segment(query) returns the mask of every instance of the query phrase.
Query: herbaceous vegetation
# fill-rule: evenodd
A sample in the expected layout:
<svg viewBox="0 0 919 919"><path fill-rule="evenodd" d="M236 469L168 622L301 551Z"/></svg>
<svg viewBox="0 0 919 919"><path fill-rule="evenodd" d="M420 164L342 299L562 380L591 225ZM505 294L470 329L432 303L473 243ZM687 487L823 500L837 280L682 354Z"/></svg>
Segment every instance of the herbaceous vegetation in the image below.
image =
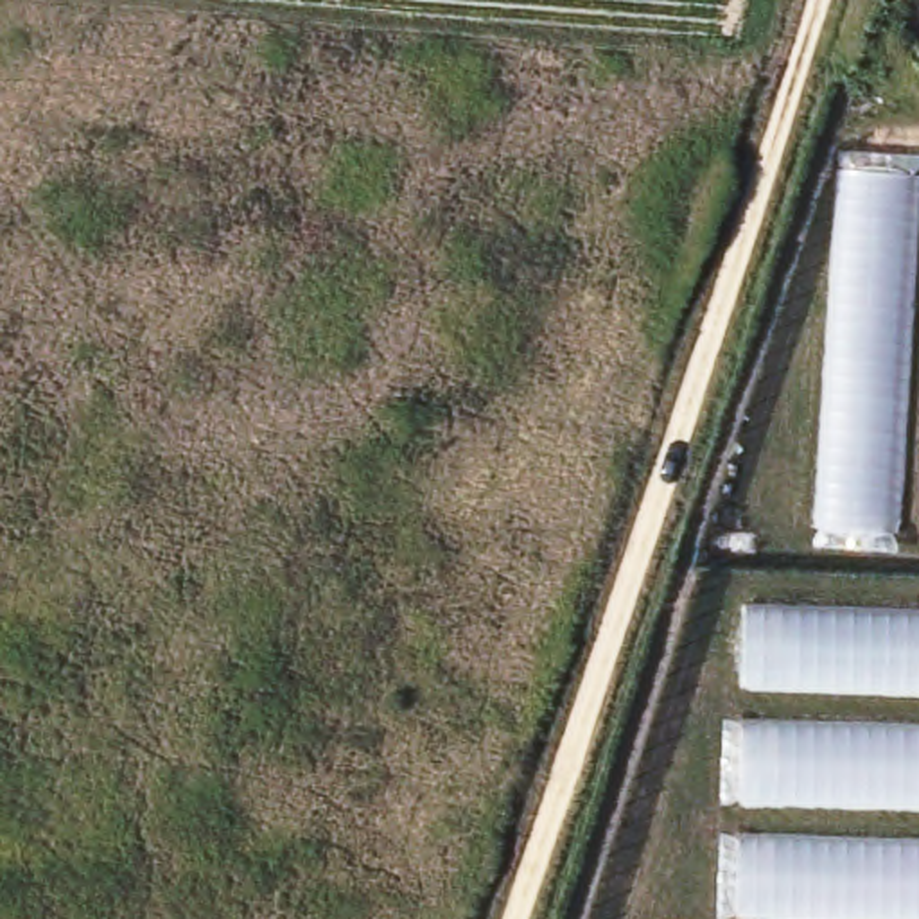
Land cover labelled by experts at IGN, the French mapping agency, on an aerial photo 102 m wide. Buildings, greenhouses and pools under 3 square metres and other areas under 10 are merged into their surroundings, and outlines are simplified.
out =
<svg viewBox="0 0 919 919"><path fill-rule="evenodd" d="M628 797L628 811L592 919L725 919L714 908L722 836L919 840L919 811L740 808L722 804L718 779L725 722L919 725L919 696L829 696L743 689L736 671L736 632L740 607L919 610L919 237L897 553L880 556L815 549L811 513L826 359L829 241L840 162L844 154L919 158L919 147L872 144L872 129L919 126L919 0L833 0L801 97L801 111L793 118L793 133L779 165L779 179L707 384L696 431L693 438L678 442L686 449L686 470L671 481L675 499L664 517L600 711L582 786L560 829L531 919L578 919L625 779L628 750L653 686L653 671L664 653L664 635L686 571L700 571L700 582L686 614L675 664L643 750L643 765ZM740 456L729 477L729 492L718 499L711 517L704 513L704 499L729 442L740 442Z"/></svg>
<svg viewBox="0 0 919 919"><path fill-rule="evenodd" d="M614 574L621 567L643 492L650 485L657 445L671 424L689 355L700 337L714 276L757 187L761 136L779 83L786 75L790 47L808 0L775 0L775 18L768 29L772 43L757 43L754 50L725 57L718 65L693 65L689 57L678 57L664 47L664 36L650 32L388 18L366 11L226 0L0 0L0 919L503 919L589 650L600 632L600 617L614 589Z"/></svg>

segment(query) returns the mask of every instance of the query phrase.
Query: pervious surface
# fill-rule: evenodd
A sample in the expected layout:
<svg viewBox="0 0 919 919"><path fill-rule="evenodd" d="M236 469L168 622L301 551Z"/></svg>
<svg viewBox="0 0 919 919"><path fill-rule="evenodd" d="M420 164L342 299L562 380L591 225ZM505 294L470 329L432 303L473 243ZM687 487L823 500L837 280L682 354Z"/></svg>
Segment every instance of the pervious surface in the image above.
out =
<svg viewBox="0 0 919 919"><path fill-rule="evenodd" d="M700 571L686 571L664 635L664 653L653 671L653 686L628 750L625 779L578 919L592 919L628 811L628 797L643 765L643 750L675 664L686 614L700 582Z"/></svg>
<svg viewBox="0 0 919 919"><path fill-rule="evenodd" d="M657 445L650 485L643 492L621 567L614 574L614 589L600 617L600 632L589 650L503 919L531 919L560 829L582 786L600 711L664 517L675 499L671 481L686 470L686 449L678 442L693 438L696 431L707 384L779 179L779 165L793 133L793 118L801 111L801 97L833 0L808 0L790 47L786 75L779 83L761 136L757 187L714 276L700 337L689 355L671 424Z"/></svg>
<svg viewBox="0 0 919 919"><path fill-rule="evenodd" d="M711 517L718 499L729 492L729 477L740 456L740 442L729 442L704 499L704 513Z"/></svg>
<svg viewBox="0 0 919 919"><path fill-rule="evenodd" d="M919 126L872 129L872 144L919 147Z"/></svg>

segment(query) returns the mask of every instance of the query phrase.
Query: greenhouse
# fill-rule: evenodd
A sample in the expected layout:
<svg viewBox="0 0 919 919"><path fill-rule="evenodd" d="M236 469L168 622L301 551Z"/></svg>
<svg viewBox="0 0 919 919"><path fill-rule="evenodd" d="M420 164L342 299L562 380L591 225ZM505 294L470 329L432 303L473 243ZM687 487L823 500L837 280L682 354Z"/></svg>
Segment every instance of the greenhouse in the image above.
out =
<svg viewBox="0 0 919 919"><path fill-rule="evenodd" d="M919 811L919 725L725 722L718 779L722 804L740 808Z"/></svg>
<svg viewBox="0 0 919 919"><path fill-rule="evenodd" d="M919 158L844 154L840 162L829 241L826 359L811 513L815 549L880 556L897 553L919 237Z"/></svg>
<svg viewBox="0 0 919 919"><path fill-rule="evenodd" d="M722 836L714 908L725 919L919 919L919 840Z"/></svg>
<svg viewBox="0 0 919 919"><path fill-rule="evenodd" d="M736 632L736 671L743 689L829 696L919 696L919 610L740 607Z"/></svg>

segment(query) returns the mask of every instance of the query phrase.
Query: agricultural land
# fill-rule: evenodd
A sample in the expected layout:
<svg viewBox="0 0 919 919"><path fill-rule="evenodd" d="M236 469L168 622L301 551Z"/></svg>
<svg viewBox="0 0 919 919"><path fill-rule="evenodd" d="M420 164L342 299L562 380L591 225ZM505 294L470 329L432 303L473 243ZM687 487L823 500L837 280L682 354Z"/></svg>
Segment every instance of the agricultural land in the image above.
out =
<svg viewBox="0 0 919 919"><path fill-rule="evenodd" d="M725 57L754 50L757 43L772 43L768 29L775 18L775 0L226 0L366 11L388 18L650 32L664 36L664 47L678 57L689 57L693 65L718 65Z"/></svg>

